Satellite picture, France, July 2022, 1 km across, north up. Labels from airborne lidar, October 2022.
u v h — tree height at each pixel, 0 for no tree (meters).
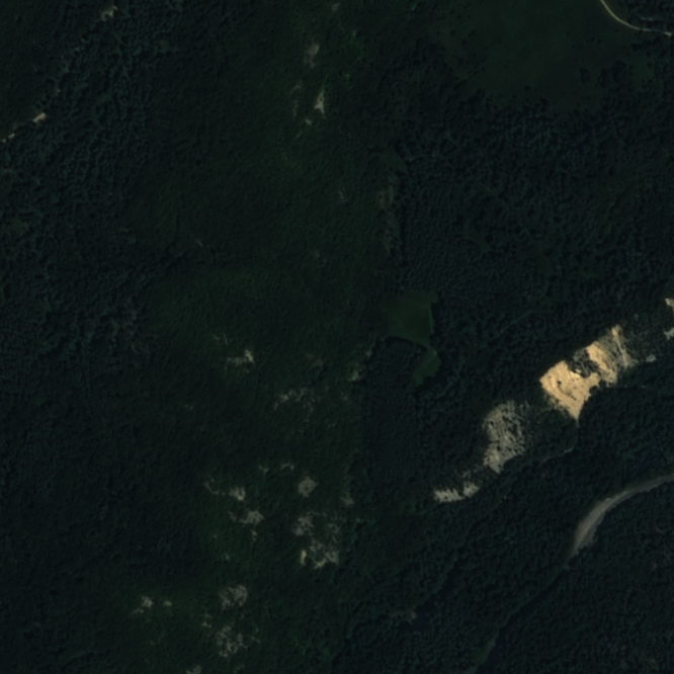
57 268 17
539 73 0
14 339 21
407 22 23
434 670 18
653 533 17
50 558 26
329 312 16
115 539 26
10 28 15
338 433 11
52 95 19
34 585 34
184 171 25
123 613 13
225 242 26
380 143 27
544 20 0
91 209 24
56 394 23
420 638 25
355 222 14
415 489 22
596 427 27
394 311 0
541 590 11
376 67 26
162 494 19
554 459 7
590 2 0
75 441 21
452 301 22
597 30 0
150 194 21
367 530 24
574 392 0
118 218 21
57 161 20
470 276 24
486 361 6
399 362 18
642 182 19
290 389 6
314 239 13
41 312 18
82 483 22
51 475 27
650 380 9
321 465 16
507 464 10
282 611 26
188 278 19
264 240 19
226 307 25
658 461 15
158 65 14
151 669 11
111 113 26
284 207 17
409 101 9
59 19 30
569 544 11
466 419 7
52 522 16
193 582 19
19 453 23
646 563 18
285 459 8
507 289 20
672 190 28
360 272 20
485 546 25
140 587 18
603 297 17
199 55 20
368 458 24
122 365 17
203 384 15
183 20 18
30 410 21
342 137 18
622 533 26
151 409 21
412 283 21
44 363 24
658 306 16
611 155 26
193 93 19
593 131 27
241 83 13
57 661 27
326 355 11
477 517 22
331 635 28
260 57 14
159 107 24
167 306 12
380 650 26
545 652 26
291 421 9
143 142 23
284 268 21
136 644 13
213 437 15
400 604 17
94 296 25
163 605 7
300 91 8
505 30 0
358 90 26
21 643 35
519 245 8
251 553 11
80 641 19
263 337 18
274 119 14
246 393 10
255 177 14
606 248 16
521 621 17
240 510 8
